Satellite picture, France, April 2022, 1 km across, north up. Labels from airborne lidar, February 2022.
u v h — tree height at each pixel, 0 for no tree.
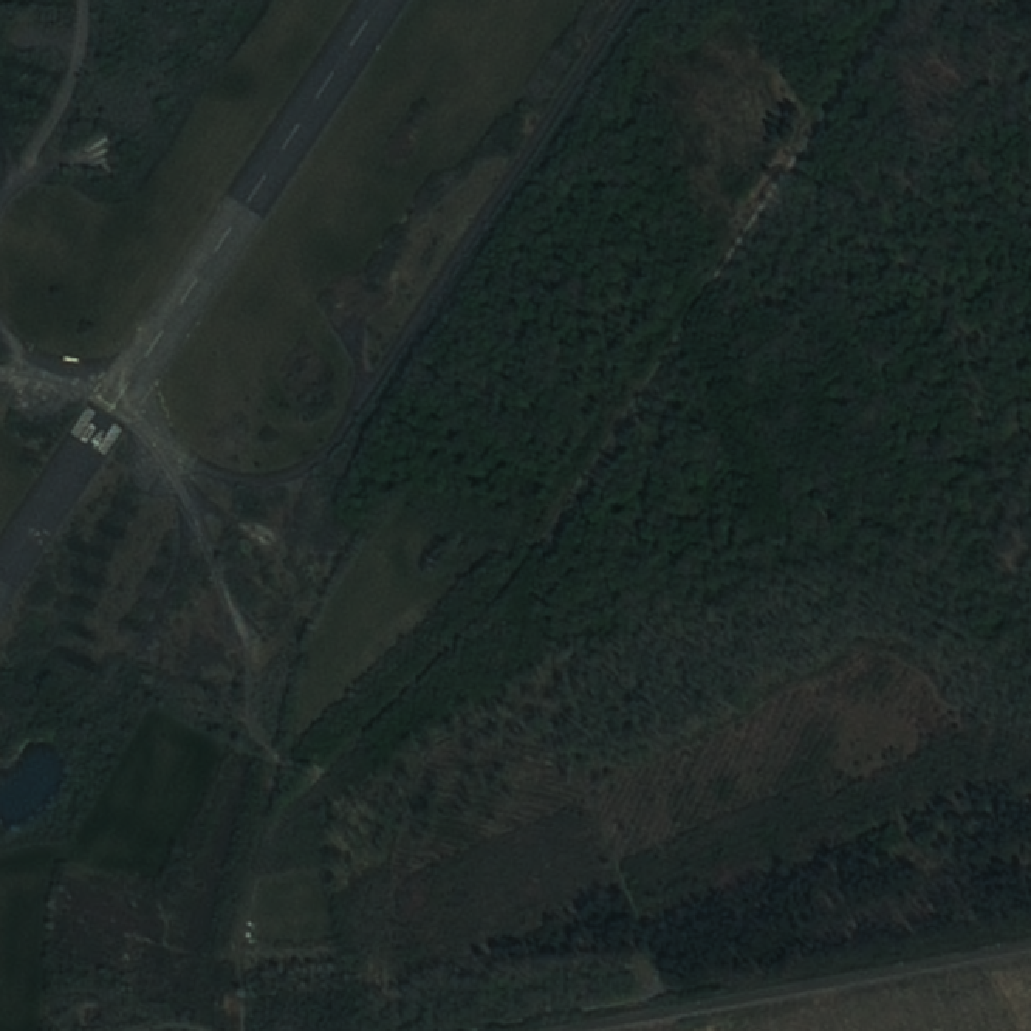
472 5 0
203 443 0
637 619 24
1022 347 26
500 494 25
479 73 0
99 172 14
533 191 15
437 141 0
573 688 23
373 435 22
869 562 25
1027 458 23
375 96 0
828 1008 0
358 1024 8
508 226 14
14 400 0
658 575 21
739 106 0
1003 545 26
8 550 0
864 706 0
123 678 7
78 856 0
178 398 0
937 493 25
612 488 26
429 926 7
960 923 28
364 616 0
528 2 0
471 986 29
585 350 27
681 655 19
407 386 21
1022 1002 0
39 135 0
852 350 25
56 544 0
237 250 0
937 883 19
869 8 24
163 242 0
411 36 0
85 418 0
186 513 0
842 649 26
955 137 25
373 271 6
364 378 0
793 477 25
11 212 0
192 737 0
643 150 16
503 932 6
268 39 0
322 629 0
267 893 0
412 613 0
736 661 26
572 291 29
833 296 23
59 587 0
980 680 22
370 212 0
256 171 0
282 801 17
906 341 26
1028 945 0
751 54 0
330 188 0
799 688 0
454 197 0
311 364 0
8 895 0
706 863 7
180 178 0
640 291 26
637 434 24
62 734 11
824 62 22
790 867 15
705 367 19
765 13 16
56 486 0
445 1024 29
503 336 28
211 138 0
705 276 20
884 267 27
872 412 26
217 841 0
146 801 0
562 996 21
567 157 21
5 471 0
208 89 0
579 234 25
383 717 9
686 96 0
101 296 0
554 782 0
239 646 0
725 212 0
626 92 19
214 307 0
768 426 23
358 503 20
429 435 23
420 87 0
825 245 27
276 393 0
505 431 28
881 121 24
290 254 0
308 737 9
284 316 0
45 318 0
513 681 22
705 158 0
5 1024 0
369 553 0
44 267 0
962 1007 0
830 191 21
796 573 23
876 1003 0
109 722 6
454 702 8
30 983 0
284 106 0
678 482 29
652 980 0
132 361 0
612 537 25
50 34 0
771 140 11
